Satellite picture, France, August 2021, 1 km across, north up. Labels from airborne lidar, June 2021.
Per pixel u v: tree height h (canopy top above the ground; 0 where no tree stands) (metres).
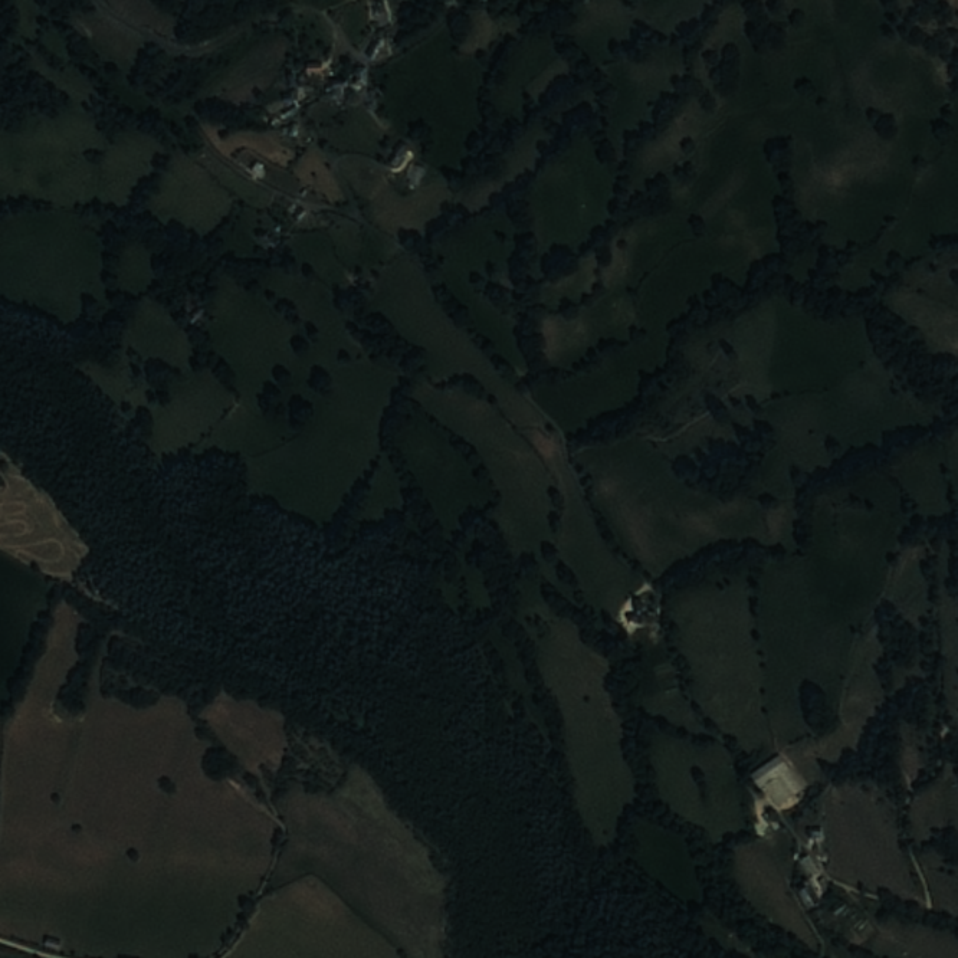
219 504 24
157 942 0
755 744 0
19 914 0
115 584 17
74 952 7
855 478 23
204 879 0
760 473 16
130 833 0
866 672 0
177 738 0
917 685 13
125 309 22
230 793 0
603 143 18
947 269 0
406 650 19
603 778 0
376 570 16
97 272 0
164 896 0
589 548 0
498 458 0
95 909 0
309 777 9
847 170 0
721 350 0
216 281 18
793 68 0
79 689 11
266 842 0
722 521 0
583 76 19
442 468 0
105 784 0
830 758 0
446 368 0
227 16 21
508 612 24
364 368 0
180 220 0
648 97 0
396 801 8
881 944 0
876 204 0
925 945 0
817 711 20
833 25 0
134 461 18
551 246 0
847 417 0
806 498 16
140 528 16
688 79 12
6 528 0
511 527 0
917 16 15
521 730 10
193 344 12
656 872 0
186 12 19
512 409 0
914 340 13
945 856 12
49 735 0
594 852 19
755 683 0
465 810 10
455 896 6
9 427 16
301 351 19
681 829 13
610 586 0
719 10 7
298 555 22
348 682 14
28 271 0
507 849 9
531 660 19
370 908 0
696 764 0
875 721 8
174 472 23
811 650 0
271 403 18
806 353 0
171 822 0
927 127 0
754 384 0
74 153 0
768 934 20
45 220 0
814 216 0
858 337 0
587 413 0
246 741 0
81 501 12
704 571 25
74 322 0
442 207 0
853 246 13
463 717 11
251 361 0
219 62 10
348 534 23
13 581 0
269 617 19
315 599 24
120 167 0
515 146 24
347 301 26
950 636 0
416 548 10
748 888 0
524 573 17
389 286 0
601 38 0
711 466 26
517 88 0
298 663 14
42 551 0
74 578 7
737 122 0
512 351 0
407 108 0
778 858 0
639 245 0
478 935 11
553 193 0
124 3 0
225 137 11
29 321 18
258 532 22
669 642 8
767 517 0
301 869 0
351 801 0
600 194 0
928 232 0
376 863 0
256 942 0
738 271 0
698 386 0
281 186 0
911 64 0
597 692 0
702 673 0
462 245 0
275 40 0
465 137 0
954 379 10
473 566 6
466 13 13
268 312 0
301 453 0
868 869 0
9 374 13
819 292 20
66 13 13
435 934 0
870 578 0
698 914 18
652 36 14
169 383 14
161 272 19
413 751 10
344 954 0
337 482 0
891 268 16
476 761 12
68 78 0
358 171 0
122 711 0
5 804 0
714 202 0
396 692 13
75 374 23
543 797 11
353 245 0
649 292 0
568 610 18
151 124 18
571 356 0
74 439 15
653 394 12
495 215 11
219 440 0
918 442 20
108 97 19
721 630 0
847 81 0
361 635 20
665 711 0
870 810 0
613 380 0
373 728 8
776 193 0
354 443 0
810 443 0
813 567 0
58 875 0
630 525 0
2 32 12
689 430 0
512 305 7
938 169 0
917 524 11
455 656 12
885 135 15
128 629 12
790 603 0
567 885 20
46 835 0
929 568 13
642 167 0
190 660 13
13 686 15
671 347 7
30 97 14
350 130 0
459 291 0
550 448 0
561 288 0
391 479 0
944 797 0
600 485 0
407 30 13
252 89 0
